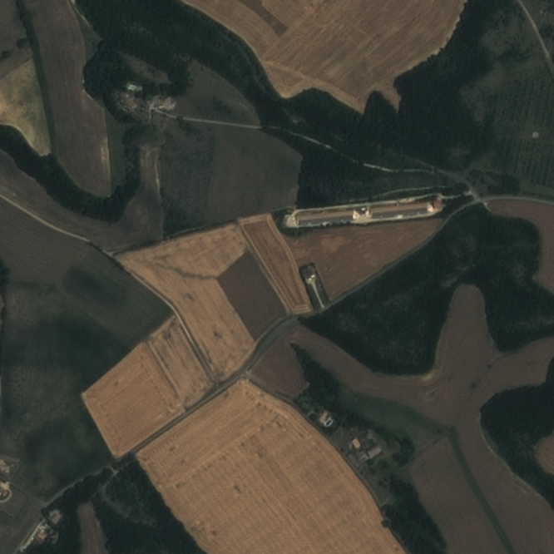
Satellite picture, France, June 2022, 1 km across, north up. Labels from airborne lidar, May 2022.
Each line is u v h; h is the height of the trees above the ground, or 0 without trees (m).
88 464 0
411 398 0
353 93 0
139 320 0
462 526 0
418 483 0
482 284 9
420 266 5
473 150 8
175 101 0
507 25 8
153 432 0
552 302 7
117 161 0
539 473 8
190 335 0
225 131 0
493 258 6
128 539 19
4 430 0
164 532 11
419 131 12
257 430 0
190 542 14
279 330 0
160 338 0
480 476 0
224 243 0
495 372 0
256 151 0
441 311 11
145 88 14
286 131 9
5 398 0
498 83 0
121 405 0
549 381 11
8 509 0
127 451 0
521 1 0
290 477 0
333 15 0
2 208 0
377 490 0
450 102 11
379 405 0
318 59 0
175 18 11
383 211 0
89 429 0
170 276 0
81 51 0
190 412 0
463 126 9
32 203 0
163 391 0
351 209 0
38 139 0
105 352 0
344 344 9
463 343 0
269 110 16
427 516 15
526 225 6
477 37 9
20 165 12
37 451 0
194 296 0
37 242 0
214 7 0
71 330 0
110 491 7
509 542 0
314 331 6
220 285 0
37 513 0
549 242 0
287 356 0
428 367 8
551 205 0
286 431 0
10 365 0
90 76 21
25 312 0
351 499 0
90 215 10
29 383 0
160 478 0
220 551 0
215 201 0
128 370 0
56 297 0
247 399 0
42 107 0
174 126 0
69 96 0
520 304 9
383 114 12
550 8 6
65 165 0
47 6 0
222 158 0
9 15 0
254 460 0
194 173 0
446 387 0
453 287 7
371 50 0
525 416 8
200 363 0
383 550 0
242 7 0
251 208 0
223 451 0
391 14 0
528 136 0
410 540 9
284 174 0
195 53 7
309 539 0
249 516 0
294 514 0
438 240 7
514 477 0
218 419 0
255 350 0
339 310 6
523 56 6
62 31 0
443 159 8
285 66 0
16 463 0
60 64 0
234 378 0
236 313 0
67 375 0
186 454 0
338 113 6
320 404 9
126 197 11
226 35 8
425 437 0
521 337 8
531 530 0
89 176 0
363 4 0
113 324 0
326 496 0
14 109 0
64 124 0
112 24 8
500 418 7
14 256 0
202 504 0
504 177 9
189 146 0
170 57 8
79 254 0
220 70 7
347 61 0
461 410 0
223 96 0
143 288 0
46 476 0
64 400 0
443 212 8
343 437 0
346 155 9
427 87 12
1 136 14
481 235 5
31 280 0
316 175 11
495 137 7
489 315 9
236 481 0
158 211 0
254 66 8
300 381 0
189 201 0
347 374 0
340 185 9
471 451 0
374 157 8
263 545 0
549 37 8
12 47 0
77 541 16
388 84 0
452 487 0
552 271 0
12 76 0
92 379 0
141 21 9
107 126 0
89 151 0
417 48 0
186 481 0
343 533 0
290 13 0
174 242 0
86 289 0
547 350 0
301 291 0
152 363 0
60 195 14
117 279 0
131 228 0
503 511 0
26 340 0
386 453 0
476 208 8
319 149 7
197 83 0
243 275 0
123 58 10
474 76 11
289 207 0
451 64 7
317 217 0
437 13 0
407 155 10
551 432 8
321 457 0
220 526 0
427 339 8
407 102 19
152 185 0
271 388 0
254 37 0
